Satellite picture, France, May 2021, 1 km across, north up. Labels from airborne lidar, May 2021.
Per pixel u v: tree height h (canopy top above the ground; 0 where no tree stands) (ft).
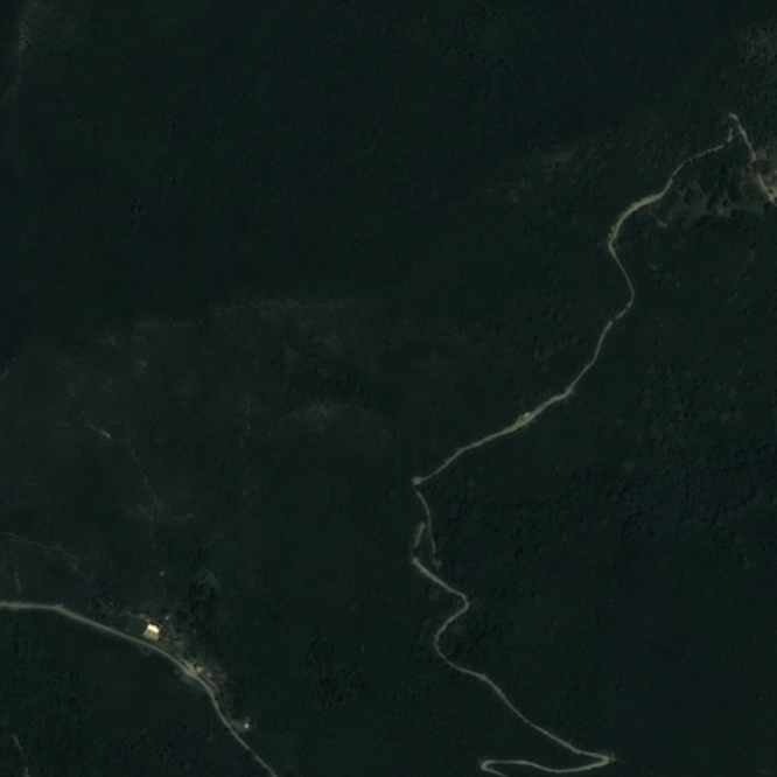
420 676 20
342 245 18
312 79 24
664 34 19
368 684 29
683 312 18
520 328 20
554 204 38
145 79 19
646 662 17
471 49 20
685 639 18
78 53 19
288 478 18
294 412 28
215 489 23
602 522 44
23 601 20
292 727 20
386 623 17
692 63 19
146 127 17
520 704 24
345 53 21
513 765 21
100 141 22
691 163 42
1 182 18
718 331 20
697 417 56
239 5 23
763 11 17
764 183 0
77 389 0
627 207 24
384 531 32
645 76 22
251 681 23
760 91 44
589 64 21
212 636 37
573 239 21
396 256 20
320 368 38
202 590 40
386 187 19
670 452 30
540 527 73
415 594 18
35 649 51
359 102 25
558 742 20
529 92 21
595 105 20
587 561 31
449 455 19
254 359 28
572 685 18
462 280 18
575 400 18
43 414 0
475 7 22
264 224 17
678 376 27
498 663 19
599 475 67
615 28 21
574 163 19
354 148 18
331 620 20
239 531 20
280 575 17
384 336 25
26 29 0
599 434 19
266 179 20
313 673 23
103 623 20
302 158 23
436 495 53
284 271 19
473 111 29
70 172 17
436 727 21
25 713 54
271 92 21
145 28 22
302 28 19
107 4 17
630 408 18
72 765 62
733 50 20
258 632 17
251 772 18
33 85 18
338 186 22
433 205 20
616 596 18
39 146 20
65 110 20
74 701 51
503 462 20
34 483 0
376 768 17
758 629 17
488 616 46
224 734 22
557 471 31
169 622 0
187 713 24
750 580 18
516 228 21
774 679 24
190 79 20
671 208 38
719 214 35
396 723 19
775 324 28
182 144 21
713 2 19
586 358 33
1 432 0
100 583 19
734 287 18
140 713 18
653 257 20
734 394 35
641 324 29
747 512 20
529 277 20
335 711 18
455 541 43
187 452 30
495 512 76
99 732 53
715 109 18
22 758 51
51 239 17
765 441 54
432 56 21
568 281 18
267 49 25
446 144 20
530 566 17
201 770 22
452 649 26
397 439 32
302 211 18
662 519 42
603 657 21
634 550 29
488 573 19
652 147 35
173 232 18
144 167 20
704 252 19
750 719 33
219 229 19
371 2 22
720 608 21
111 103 19
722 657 18
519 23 27
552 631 35
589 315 30
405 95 19
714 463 81
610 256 19
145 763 25
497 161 21
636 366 19
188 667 0
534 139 26
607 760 0
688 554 19
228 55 21
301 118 22
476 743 17
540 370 35
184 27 20
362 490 20
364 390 43
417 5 19
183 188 21
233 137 22
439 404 29
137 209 50
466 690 18
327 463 24
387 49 20
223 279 17
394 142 21
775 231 19
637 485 55
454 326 30
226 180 20
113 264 19
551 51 28
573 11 27
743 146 19
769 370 19
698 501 36
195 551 19
